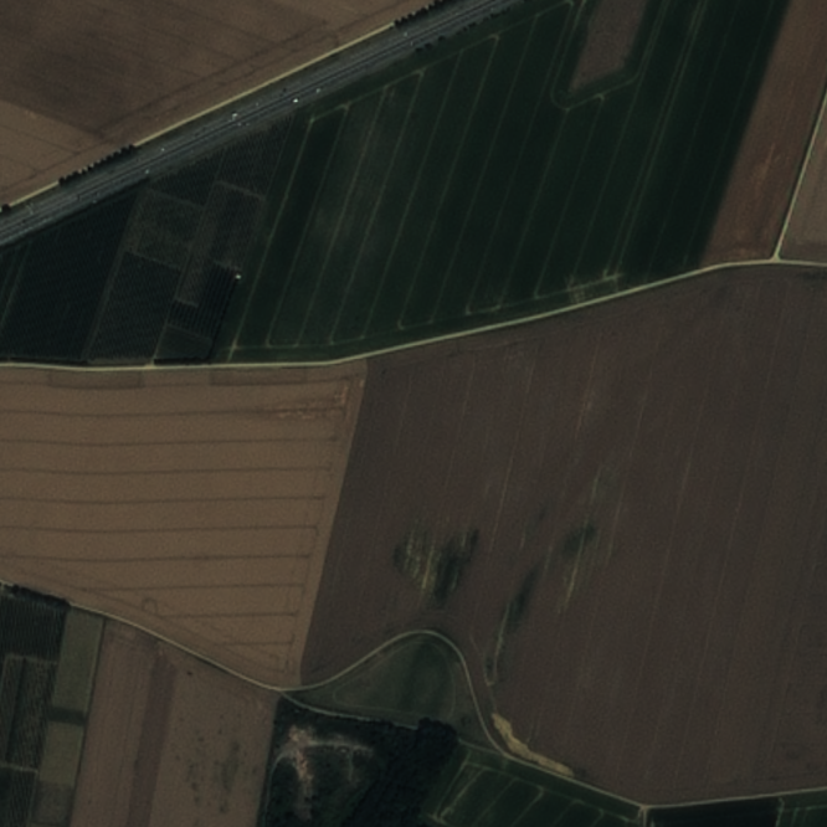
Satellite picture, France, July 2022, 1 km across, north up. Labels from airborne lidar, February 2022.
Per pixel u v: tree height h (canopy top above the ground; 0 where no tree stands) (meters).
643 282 0
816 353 0
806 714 0
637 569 0
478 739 0
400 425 0
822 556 0
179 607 0
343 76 0
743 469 0
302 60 0
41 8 0
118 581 0
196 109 0
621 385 0
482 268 0
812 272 0
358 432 0
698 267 0
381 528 0
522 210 0
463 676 0
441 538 0
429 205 0
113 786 0
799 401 0
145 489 0
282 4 0
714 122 0
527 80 0
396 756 8
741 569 0
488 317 0
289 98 0
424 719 0
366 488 0
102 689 0
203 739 0
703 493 0
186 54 0
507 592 0
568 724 0
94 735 0
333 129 0
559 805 0
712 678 0
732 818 0
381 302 0
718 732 0
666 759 0
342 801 0
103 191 0
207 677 0
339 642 0
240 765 0
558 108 0
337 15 0
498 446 0
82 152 0
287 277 0
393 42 0
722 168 0
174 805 0
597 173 0
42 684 0
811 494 0
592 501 0
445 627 0
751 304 0
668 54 0
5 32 0
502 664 0
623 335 0
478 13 0
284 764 0
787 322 0
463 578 0
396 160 0
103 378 0
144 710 0
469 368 0
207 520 0
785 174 0
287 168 0
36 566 0
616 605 0
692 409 0
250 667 0
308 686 0
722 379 0
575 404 0
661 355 0
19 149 0
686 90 0
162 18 0
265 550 0
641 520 0
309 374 0
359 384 0
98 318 0
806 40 0
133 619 0
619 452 0
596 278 0
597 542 0
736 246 0
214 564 0
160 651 0
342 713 0
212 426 0
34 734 0
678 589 0
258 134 0
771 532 0
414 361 0
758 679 0
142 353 0
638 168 0
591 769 0
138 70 0
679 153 0
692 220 0
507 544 0
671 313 0
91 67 0
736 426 0
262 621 0
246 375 0
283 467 0
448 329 0
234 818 0
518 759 0
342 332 0
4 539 0
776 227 0
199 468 0
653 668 0
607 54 0
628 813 0
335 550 0
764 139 0
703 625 0
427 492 0
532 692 0
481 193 0
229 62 0
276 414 0
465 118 0
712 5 0
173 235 0
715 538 0
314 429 0
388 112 0
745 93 0
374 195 0
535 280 0
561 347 0
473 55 0
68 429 0
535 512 0
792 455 0
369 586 0
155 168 0
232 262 0
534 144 0
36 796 0
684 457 0
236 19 0
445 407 0
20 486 0
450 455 0
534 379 0
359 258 0
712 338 0
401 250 0
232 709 0
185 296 0
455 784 0
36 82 0
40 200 0
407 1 0
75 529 0
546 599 0
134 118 0
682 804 0
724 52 0
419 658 0
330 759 0
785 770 0
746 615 0
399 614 0
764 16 0
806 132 0
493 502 0
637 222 0
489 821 0
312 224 0
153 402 0
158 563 0
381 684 0
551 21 0
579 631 0
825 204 0
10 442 0
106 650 0
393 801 20
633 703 0
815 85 0
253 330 0
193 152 0
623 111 0
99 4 0
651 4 0
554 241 0
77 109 0
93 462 0
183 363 6
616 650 0
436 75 0
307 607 0
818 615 0
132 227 0
